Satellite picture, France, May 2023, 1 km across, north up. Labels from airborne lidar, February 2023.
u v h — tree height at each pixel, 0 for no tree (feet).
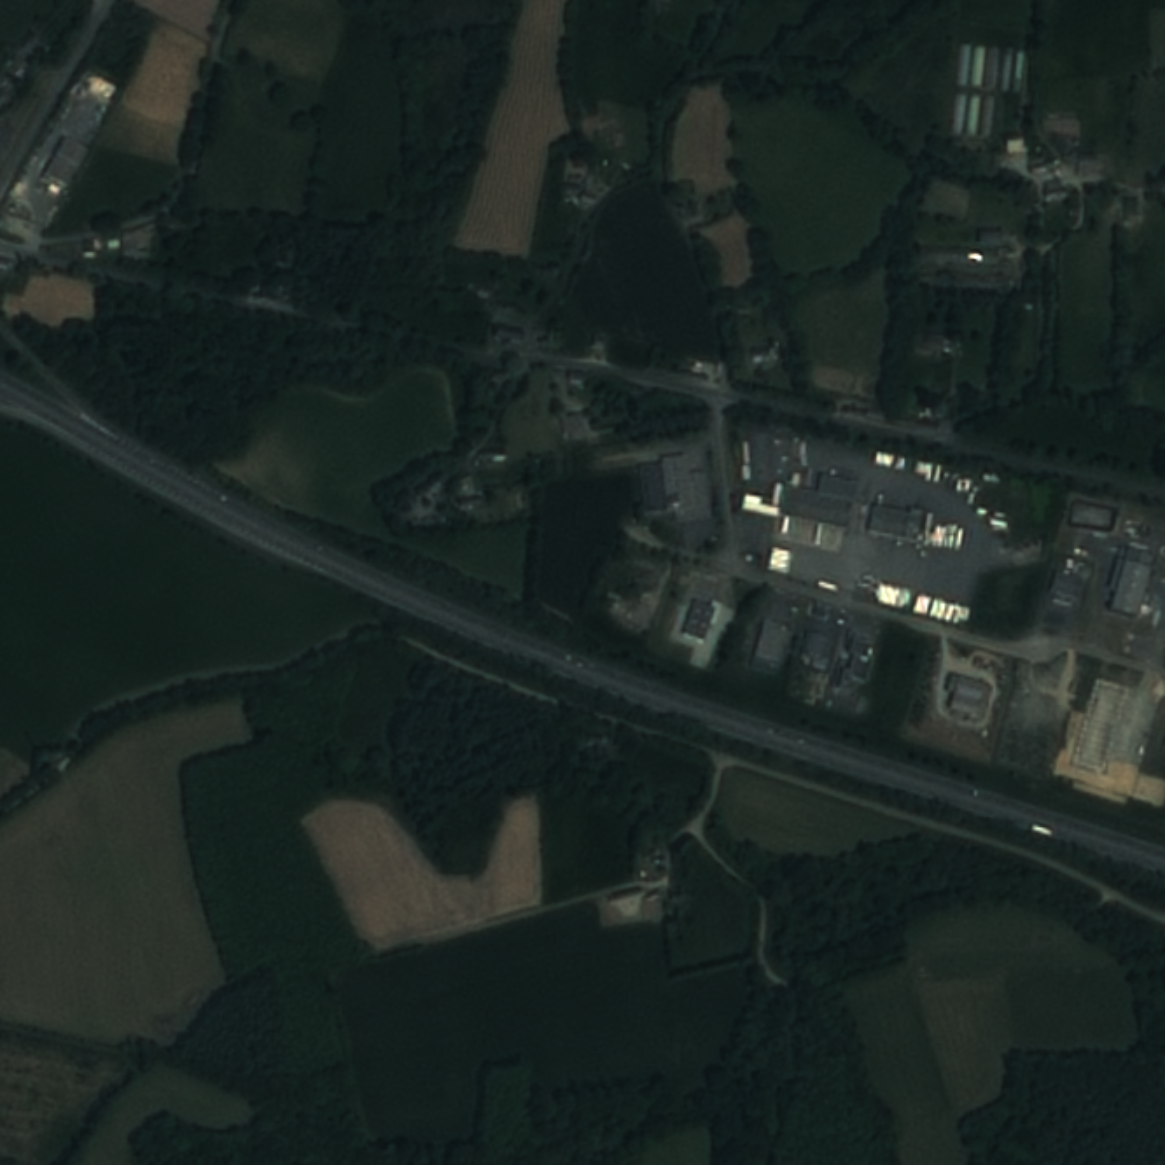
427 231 35
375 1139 0
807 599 0
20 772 0
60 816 0
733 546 0
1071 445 0
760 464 0
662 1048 0
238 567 0
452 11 0
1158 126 0
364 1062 0
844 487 0
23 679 0
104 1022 0
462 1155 62
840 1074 53
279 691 37
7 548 0
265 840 51
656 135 24
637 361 0
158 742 0
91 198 0
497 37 51
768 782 0
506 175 0
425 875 0
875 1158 48
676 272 0
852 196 0
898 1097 0
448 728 68
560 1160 31
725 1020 0
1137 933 44
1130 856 0
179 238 22
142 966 0
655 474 0
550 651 0
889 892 39
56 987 0
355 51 0
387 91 0
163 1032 0
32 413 0
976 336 29
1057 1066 46
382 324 66
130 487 30
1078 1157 61
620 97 0
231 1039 51
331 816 0
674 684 40
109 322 32
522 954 0
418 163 52
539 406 0
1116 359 85
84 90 0
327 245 68
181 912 0
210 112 46
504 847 0
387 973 0
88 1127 46
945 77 0
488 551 0
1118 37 0
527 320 0
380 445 0
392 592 0
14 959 0
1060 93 0
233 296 40
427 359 60
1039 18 28
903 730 0
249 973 30
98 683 0
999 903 51
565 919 0
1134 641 0
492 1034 0
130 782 0
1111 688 0
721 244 0
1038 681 0
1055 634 0
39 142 0
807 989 58
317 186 46
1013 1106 42
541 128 0
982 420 36
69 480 0
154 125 0
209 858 51
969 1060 0
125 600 0
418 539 45
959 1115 0
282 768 52
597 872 0
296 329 56
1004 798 0
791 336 55
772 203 0
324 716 60
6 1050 0
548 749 53
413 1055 0
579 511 0
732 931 0
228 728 0
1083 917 41
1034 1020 0
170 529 0
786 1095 47
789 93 26
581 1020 0
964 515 0
